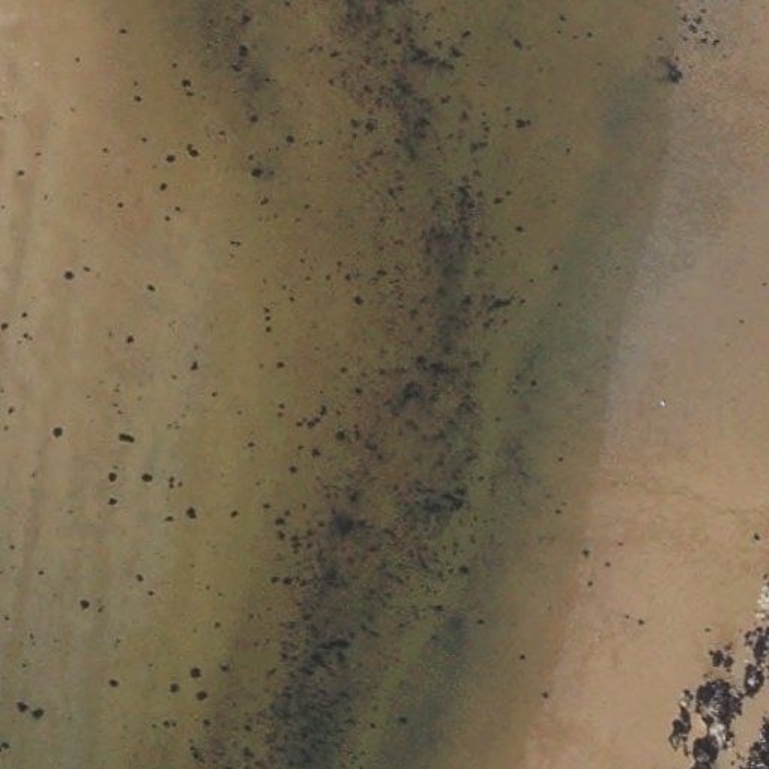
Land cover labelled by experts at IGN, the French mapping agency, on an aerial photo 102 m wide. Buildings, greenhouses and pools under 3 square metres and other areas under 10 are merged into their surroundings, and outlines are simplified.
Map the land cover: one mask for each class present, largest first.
<instances>
[{"label":"water","instance_id":"1","mask_svg":"<svg viewBox=\"0 0 769 769\"><path fill-rule=\"evenodd\" d=\"M147 6L165 24L159 30V42L165 45L162 51L168 69H189L180 81L183 96L210 102L222 120H231L234 132L228 165L231 174L222 180V192L231 195V207L225 216V231L231 237L225 258L228 279L210 282L204 303V309L210 312V318L204 321V330L210 333V360H189L192 378L174 424H168V430L177 433L171 460H180L189 472L186 481L168 478L165 493V523L174 529V571L168 610L165 619L150 622L147 628L123 640L105 643L108 610L105 601H99L90 634L75 637L72 625H63L60 637H54L51 649L45 652L36 646V634L24 622L30 568H0V769H532L526 763L529 724L535 712L550 700L556 667L565 649V622L574 610V568L577 562L589 559L586 511L598 460L607 448L604 430L610 366L619 351V333L628 318V294L634 288L637 267L646 252V240L652 234L661 183L667 174L664 156L670 129V96L682 72L676 66V45L667 36L676 33L673 15L679 12V0H147Z\"/></svg>","mask_w":769,"mask_h":769},{"label":"bare soil","instance_id":"2","mask_svg":"<svg viewBox=\"0 0 769 769\"><path fill-rule=\"evenodd\" d=\"M165 24L147 6V0H0V568H30L24 622L36 634V646L45 652L51 649L54 637H60L63 625H72L75 637L90 634L99 601H105L108 610L105 643L123 640L147 628L150 622L165 619L168 610L174 571V529L165 523V493L168 478L186 481L189 472L180 460H171L177 433L168 430V424H174L192 378L189 360H210V333L204 330V321L210 318V312L204 309V303L210 282L228 279L225 258L231 237L225 231V216L231 207V195L222 192V180L231 174L228 165L234 132L231 120H222L210 102L183 96L180 81L189 69H168L162 51L165 45L159 42V30ZM676 33L667 36L676 45V66L682 72L670 96V129L664 156L667 174L661 183L652 234L646 240V252L637 267L634 288L628 294V318L619 333V351L610 366L604 430L607 448L598 460L586 511L589 559L577 562L574 568V610L565 622V649L556 667L550 700L535 712L529 724L526 763L532 769H769V0H679V12L673 15Z\"/></svg>","mask_w":769,"mask_h":769}]
</instances>
